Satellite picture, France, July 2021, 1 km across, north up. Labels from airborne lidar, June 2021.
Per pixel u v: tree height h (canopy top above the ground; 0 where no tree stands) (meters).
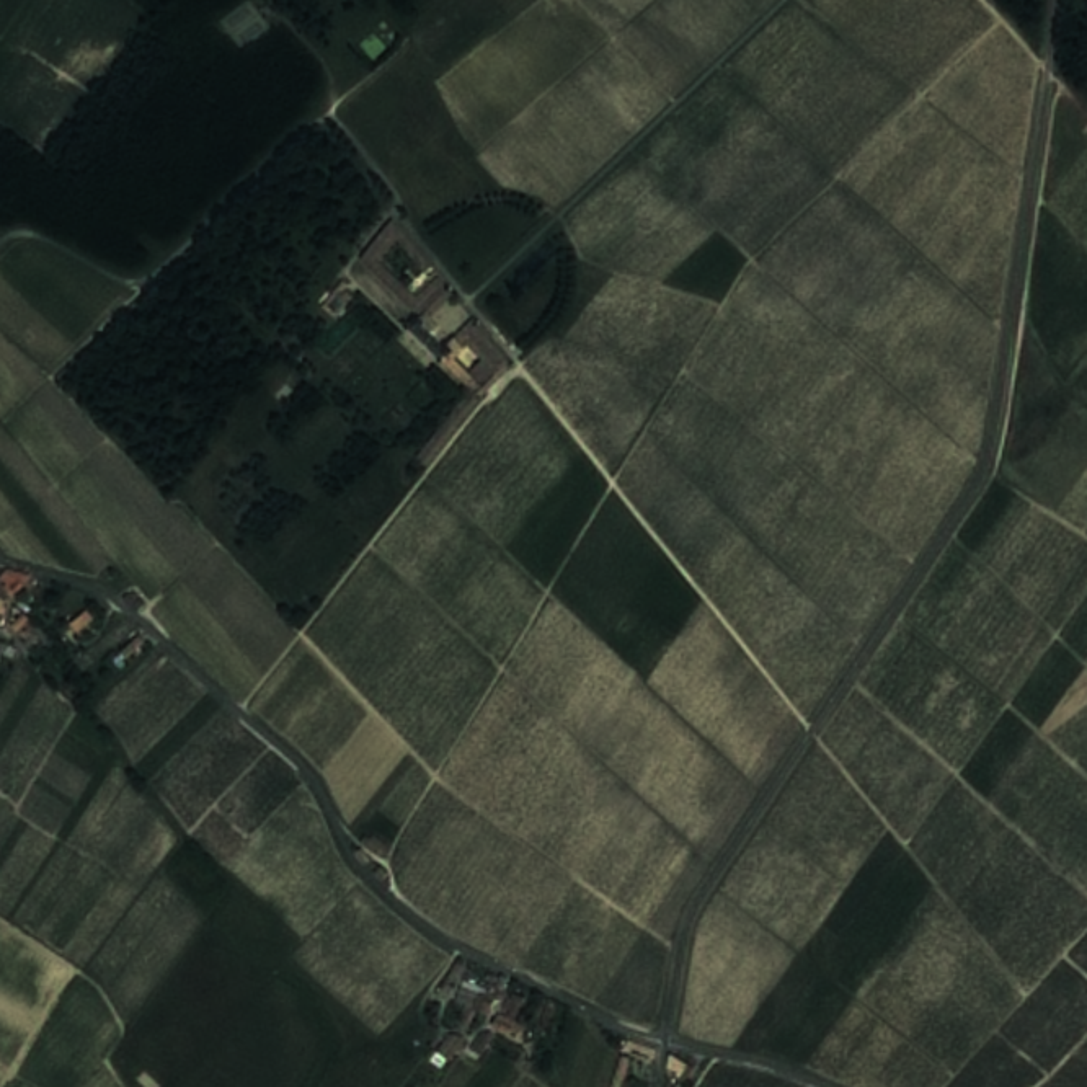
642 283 0
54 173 12
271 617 0
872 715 0
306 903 0
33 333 0
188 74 10
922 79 0
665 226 0
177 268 14
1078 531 0
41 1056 0
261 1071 0
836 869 0
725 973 0
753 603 0
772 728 0
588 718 0
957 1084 0
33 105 0
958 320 0
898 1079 0
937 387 0
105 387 15
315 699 0
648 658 0
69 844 0
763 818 0
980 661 0
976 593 0
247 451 0
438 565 0
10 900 0
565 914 0
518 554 0
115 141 13
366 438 13
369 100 0
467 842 0
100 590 0
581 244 0
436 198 0
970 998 0
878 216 0
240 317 9
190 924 0
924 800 0
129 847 0
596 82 0
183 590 0
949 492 0
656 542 0
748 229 0
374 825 0
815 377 0
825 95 0
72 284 0
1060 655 0
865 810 0
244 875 0
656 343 0
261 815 0
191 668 0
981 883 0
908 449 0
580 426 0
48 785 0
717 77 0
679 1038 0
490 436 0
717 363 0
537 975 0
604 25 0
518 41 0
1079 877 0
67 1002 0
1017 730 0
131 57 10
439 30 0
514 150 0
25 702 0
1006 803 0
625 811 0
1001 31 0
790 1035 0
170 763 0
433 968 0
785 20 0
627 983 0
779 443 0
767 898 0
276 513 15
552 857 0
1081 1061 0
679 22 0
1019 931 0
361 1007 0
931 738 0
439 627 0
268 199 21
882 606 0
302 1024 0
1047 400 0
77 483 0
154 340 17
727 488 0
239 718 0
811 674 0
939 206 0
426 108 0
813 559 0
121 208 12
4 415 0
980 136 0
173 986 0
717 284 0
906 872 0
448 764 0
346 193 18
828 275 0
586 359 0
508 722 0
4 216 12
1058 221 0
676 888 0
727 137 0
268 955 0
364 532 0
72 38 0
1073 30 15
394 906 0
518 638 0
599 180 0
